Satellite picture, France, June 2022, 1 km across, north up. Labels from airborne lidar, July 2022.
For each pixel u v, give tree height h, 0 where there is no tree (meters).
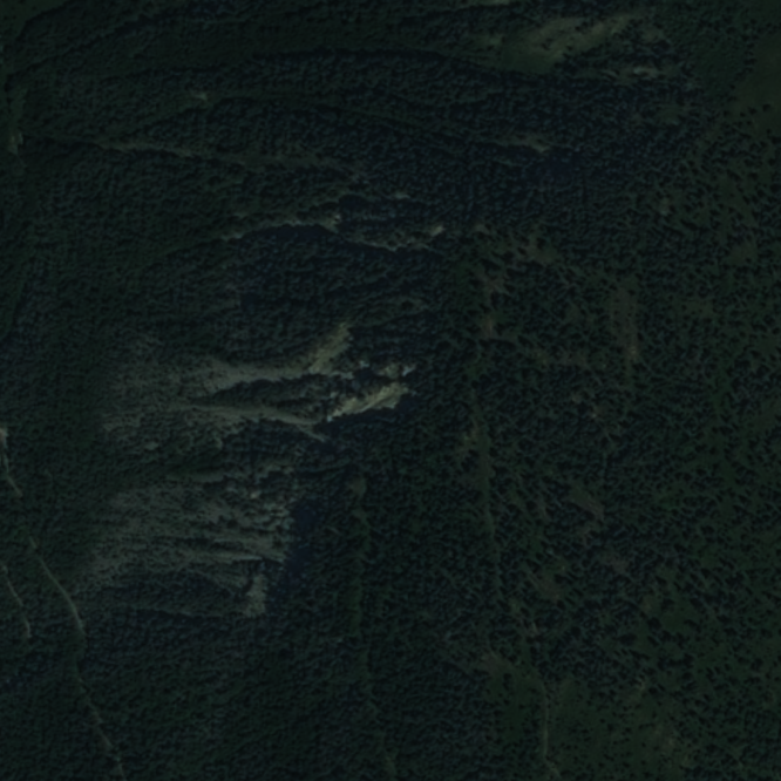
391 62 26
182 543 12
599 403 18
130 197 16
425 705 15
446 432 30
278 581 10
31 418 12
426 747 14
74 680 15
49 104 18
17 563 17
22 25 0
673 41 9
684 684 8
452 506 11
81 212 25
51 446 18
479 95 26
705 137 8
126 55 21
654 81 8
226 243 9
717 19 8
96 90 22
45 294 23
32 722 14
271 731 15
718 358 9
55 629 11
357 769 9
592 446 7
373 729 14
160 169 24
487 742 6
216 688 9
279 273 24
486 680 8
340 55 12
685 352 25
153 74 29
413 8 26
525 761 8
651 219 26
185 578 12
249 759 16
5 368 17
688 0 10
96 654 12
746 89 0
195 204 8
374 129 19
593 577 21
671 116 0
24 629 13
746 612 12
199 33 17
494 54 8
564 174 14
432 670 13
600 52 7
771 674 7
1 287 20
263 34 17
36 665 20
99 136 20
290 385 14
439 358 22
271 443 8
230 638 14
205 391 8
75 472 18
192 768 11
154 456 12
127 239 13
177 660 19
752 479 15
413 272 18
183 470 15
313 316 17
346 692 9
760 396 9
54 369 11
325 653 14
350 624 12
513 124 23
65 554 15
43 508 14
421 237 24
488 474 0
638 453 24
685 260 24
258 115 20
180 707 11
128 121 18
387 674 11
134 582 7
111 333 15
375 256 11
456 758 21
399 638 9
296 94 12
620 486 8
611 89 14
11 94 24
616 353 11
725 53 6
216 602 16
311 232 13
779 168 17
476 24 22
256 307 17
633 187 7
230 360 13
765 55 0
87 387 7
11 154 16
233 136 22
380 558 15
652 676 25
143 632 22
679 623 0
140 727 13
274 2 28
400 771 8
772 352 0
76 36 19
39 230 23
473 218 12
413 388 18
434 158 27
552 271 9
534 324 13
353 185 8
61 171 18
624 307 0
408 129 15
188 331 16
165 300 17
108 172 14
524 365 8
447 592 27
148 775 17
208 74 23
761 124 0
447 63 26
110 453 8
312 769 18
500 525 8
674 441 9
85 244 22
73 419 14
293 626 19
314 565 13
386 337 20
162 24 16
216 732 17
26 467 18
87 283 23
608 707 11
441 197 18
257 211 7
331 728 16
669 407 6
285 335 16
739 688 15
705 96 10
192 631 19
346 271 11
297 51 12
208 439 7
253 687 14
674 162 9
